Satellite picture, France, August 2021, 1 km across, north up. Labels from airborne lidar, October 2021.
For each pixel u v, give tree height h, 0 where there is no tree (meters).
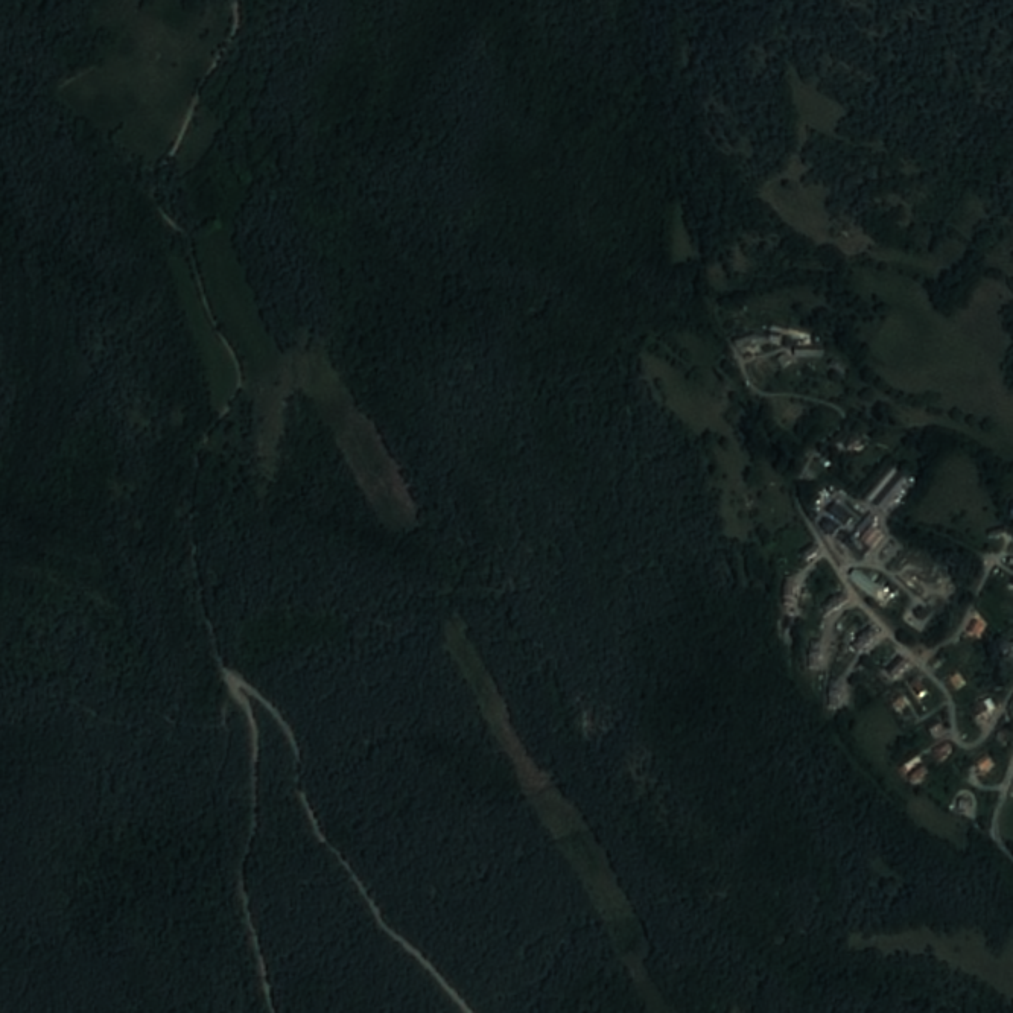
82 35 13
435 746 11
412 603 10
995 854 12
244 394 9
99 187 15
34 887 15
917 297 0
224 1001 13
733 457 0
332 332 12
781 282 10
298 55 12
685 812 8
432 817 15
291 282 18
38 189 19
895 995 18
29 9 15
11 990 17
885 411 14
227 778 13
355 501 17
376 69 15
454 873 15
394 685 13
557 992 12
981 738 0
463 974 9
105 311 9
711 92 11
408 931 10
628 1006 11
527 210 12
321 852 14
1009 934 13
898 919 14
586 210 10
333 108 14
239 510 18
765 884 14
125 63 0
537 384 19
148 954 14
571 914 13
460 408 13
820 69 9
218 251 0
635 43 22
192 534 12
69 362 8
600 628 13
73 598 8
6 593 9
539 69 16
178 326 12
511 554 11
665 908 15
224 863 13
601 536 13
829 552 0
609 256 12
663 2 16
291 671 13
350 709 13
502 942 11
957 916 14
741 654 18
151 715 11
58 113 15
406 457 14
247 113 7
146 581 12
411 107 16
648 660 16
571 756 17
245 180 18
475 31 15
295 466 8
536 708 16
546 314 16
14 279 8
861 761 7
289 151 16
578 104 15
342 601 14
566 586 19
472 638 10
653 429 17
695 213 18
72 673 10
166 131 0
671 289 22
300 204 13
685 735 15
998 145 13
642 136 22
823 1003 16
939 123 13
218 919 10
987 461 17
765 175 10
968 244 9
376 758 16
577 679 9
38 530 11
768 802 14
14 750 17
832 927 9
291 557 16
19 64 14
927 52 15
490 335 21
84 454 6
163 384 12
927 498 15
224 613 18
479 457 12
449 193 19
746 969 17
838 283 22
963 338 0
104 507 6
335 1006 12
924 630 0
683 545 12
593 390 16
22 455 9
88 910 8
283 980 11
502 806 16
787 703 12
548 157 13
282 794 16
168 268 18
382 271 15
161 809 14
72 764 10
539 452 15
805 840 16
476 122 18
